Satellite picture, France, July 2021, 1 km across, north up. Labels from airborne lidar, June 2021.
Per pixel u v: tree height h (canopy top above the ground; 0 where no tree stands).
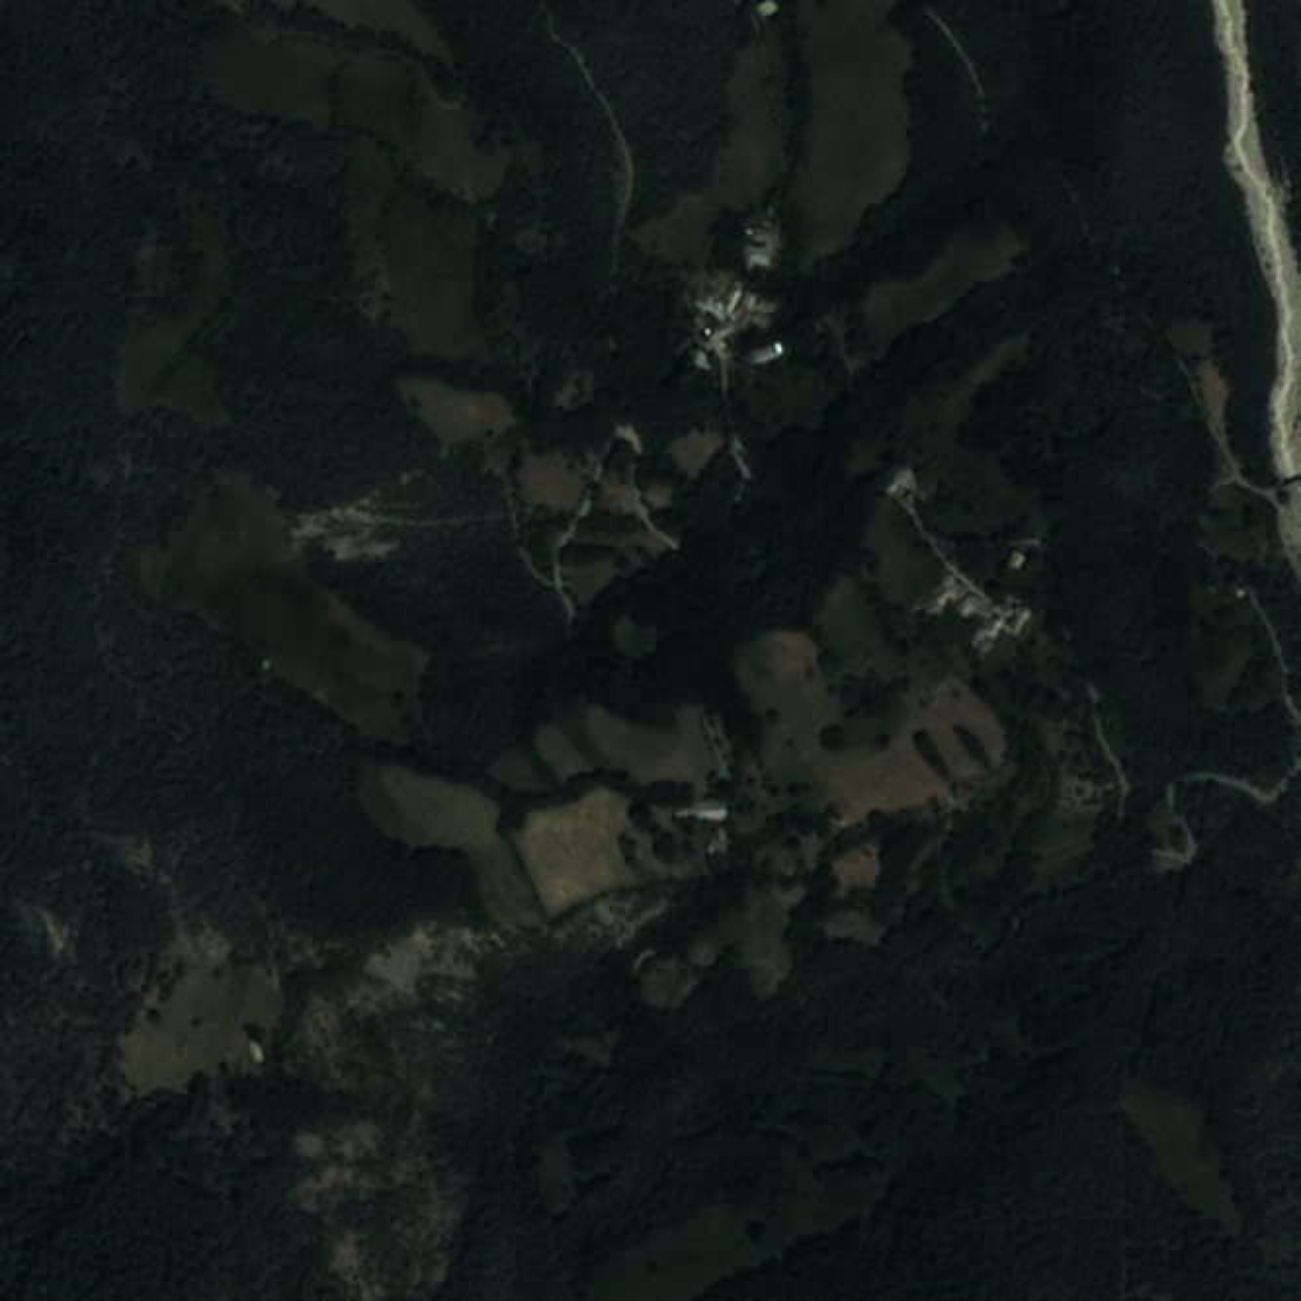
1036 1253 18
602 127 8
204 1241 20
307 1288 15
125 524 6
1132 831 20
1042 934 18
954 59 10
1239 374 13
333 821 14
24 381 10
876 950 10
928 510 15
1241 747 8
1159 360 8
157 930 6
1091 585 18
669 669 29
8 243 9
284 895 9
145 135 11
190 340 6
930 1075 0
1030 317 12
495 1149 12
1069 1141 14
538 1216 15
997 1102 25
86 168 8
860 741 0
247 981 0
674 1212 17
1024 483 11
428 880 14
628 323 17
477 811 0
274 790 11
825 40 0
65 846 9
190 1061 0
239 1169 13
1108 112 9
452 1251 9
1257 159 0
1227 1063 15
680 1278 0
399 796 0
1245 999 25
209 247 0
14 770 7
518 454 6
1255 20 6
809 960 12
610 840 0
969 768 0
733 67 7
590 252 9
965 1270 16
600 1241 21
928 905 9
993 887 12
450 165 0
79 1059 9
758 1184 21
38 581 7
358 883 12
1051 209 13
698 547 20
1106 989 22
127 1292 22
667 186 8
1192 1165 0
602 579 0
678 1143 15
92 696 11
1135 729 11
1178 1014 24
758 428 16
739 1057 11
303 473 10
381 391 10
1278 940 7
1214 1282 11
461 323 0
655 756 0
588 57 7
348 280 11
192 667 8
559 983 7
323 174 11
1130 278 15
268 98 0
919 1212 25
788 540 25
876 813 8
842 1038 15
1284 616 11
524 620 12
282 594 0
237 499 0
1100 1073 9
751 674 0
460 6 14
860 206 0
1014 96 9
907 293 0
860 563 10
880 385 28
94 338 9
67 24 8
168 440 7
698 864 0
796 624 13
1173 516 13
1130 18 14
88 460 7
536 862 0
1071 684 11
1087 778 6
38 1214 19
